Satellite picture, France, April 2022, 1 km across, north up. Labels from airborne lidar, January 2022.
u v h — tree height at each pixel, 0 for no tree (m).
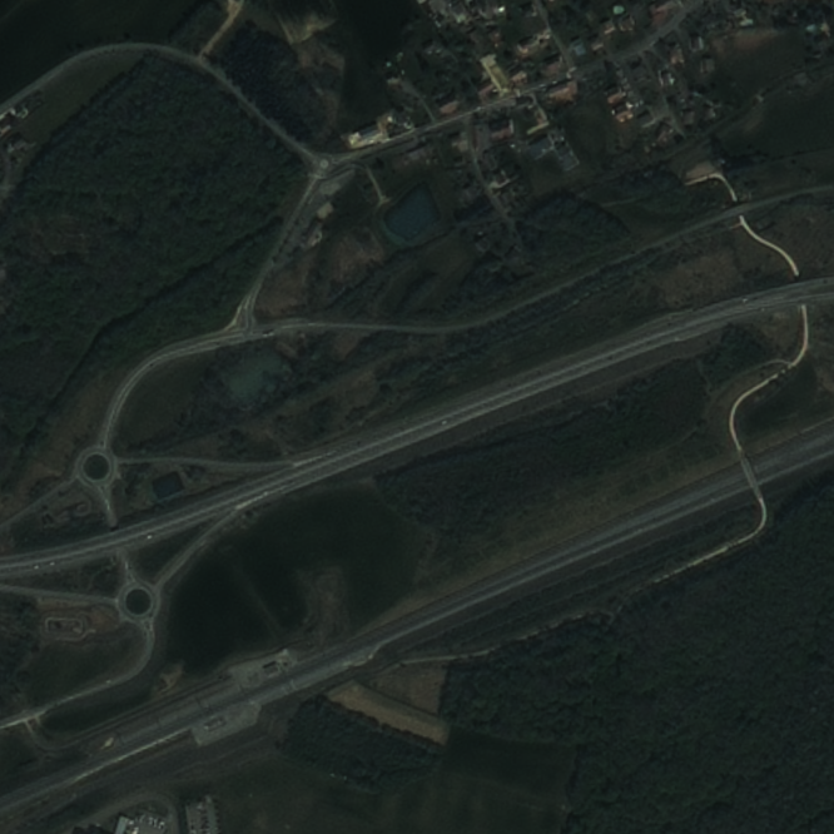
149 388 0
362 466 0
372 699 0
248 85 22
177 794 0
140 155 20
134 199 20
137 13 0
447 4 0
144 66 12
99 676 0
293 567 0
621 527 0
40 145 0
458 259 0
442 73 7
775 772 18
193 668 0
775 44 0
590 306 0
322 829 0
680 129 0
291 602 0
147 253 27
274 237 17
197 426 11
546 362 0
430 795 0
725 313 0
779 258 0
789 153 0
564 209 21
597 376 0
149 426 0
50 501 0
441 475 12
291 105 23
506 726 22
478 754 0
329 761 7
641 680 21
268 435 0
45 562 0
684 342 0
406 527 0
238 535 0
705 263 0
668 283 0
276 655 0
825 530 24
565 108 10
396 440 0
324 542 0
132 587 0
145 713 0
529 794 0
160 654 0
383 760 8
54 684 0
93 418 0
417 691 0
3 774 0
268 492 0
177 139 20
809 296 0
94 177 22
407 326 0
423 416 0
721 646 25
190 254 20
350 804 0
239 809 0
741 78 0
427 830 0
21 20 0
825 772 21
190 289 19
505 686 19
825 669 24
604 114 0
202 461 0
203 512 0
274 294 0
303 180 0
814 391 0
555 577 0
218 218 23
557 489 12
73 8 0
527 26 0
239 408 17
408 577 0
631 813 21
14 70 0
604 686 21
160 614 0
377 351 13
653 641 28
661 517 0
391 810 0
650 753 15
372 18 0
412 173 0
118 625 0
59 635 0
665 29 0
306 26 0
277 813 0
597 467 10
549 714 22
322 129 17
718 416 0
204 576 0
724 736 23
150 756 0
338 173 0
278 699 0
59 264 24
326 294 0
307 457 0
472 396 0
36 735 0
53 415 25
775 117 0
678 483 0
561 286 0
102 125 19
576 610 0
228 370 15
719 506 0
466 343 9
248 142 24
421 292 16
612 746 19
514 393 0
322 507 0
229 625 0
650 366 0
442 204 0
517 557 0
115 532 0
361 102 0
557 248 21
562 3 8
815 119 0
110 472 0
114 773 0
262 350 6
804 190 0
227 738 0
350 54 0
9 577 0
